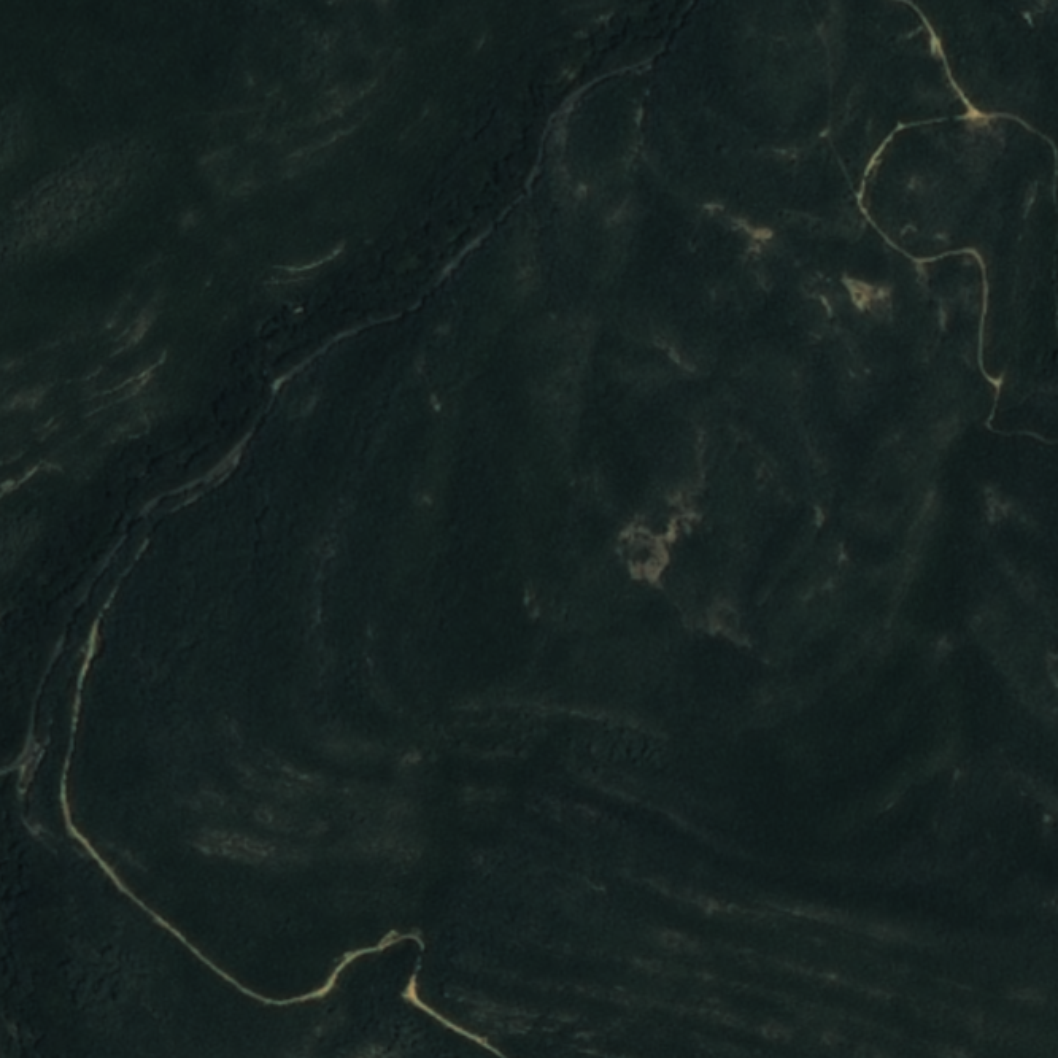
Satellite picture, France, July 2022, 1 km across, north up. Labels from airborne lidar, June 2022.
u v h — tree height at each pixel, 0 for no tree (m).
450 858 6
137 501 13
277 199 6
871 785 6
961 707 5
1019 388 6
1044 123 5
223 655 6
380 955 7
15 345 7
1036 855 9
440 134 8
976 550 7
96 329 6
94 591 8
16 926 26
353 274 18
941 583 8
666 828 6
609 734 11
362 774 5
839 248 7
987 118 0
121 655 5
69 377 6
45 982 15
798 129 5
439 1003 6
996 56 8
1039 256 6
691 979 6
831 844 6
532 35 8
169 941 7
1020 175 6
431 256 23
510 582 7
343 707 7
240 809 6
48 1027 15
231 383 10
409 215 14
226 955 6
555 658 6
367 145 7
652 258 7
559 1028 8
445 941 6
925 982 6
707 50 7
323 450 8
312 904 6
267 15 7
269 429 7
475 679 6
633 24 19
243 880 6
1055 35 6
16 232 9
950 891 5
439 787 7
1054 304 7
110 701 7
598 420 7
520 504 6
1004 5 8
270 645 9
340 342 7
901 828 9
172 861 6
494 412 5
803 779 6
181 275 9
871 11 6
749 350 5
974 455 7
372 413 7
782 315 6
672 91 6
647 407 7
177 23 6
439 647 7
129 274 6
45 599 11
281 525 7
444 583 6
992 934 6
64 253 6
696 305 6
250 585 7
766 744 6
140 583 7
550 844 6
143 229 7
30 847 9
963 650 8
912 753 6
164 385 6
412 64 6
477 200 6
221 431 18
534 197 6
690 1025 6
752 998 7
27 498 8
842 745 5
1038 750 5
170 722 7
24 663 11
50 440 6
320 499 6
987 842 6
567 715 6
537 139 19
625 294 6
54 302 5
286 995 6
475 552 8
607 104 6
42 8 8
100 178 9
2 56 7
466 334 6
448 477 7
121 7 7
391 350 11
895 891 7
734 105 6
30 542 6
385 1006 6
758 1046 6
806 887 6
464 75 9
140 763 6
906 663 8
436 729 10
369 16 6
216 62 6
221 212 6
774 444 6
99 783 6
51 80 7
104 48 6
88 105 9
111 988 8
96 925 10
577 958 6
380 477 7
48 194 10
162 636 7
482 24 7
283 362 13
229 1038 6
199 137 6
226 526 7
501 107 17
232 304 7
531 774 7
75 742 6
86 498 14
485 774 7
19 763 0
